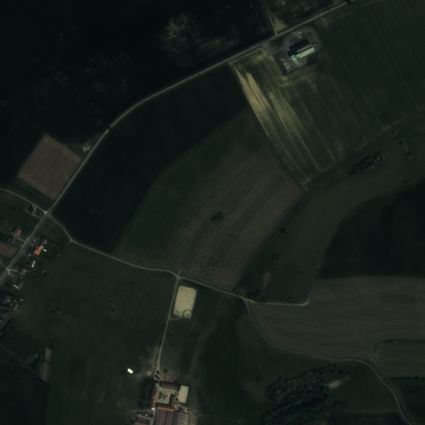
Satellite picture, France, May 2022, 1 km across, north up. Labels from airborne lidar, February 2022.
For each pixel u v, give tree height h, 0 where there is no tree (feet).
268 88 0
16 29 0
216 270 0
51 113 0
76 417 0
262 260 0
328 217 0
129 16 0
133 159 0
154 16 0
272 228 0
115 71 0
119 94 0
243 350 0
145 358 0
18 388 0
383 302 0
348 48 0
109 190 0
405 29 0
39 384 0
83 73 0
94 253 0
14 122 0
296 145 0
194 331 0
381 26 0
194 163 0
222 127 0
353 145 0
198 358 0
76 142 0
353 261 0
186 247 0
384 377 0
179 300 0
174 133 0
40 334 0
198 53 0
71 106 0
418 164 0
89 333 0
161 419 0
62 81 0
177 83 0
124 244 0
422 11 0
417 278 0
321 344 0
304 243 0
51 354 0
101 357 0
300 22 0
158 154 0
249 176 0
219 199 0
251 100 0
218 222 0
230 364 0
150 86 0
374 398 0
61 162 0
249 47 0
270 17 0
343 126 0
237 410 0
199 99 0
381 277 0
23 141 0
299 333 0
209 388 0
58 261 0
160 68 0
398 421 0
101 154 0
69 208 0
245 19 0
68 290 0
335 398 0
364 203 0
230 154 0
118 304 0
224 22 0
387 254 0
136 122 0
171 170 0
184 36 0
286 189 0
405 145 20
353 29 0
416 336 0
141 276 0
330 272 0
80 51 0
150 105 0
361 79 0
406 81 0
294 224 0
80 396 0
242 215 0
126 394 0
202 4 0
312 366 0
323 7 0
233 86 0
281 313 0
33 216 0
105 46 0
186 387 0
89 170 0
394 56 0
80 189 0
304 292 0
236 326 0
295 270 0
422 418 0
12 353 0
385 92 0
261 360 0
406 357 0
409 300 0
